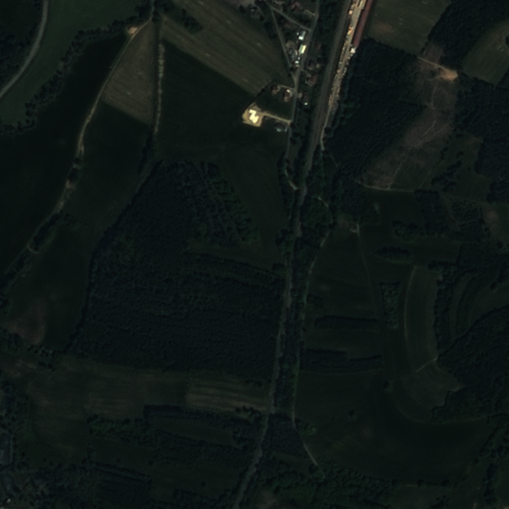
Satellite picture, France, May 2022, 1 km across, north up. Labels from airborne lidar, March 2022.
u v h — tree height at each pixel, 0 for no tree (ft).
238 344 39
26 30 0
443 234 31
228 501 34
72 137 0
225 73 0
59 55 0
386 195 0
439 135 0
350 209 82
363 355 0
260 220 0
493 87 44
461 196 0
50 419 0
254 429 86
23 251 0
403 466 0
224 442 0
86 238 0
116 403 0
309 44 0
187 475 0
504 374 21
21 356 0
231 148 0
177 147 0
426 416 0
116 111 0
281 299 30
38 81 0
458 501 0
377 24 0
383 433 0
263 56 0
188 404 0
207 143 0
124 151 0
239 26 0
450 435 0
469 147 0
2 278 0
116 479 48
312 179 55
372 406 0
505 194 89
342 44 0
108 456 0
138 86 0
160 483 0
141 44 0
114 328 52
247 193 0
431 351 0
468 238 33
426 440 0
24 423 51
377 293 0
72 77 0
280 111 0
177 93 0
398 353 0
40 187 0
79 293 0
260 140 0
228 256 0
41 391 0
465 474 0
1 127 52
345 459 0
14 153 0
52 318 0
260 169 0
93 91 0
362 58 61
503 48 0
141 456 0
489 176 67
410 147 0
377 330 22
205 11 0
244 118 0
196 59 0
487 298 0
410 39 0
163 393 0
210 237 72
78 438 0
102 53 0
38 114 0
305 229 64
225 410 0
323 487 66
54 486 53
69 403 0
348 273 0
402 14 0
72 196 0
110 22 0
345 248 0
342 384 0
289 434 91
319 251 75
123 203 0
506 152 79
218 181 78
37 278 0
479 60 0
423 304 0
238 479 0
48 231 71
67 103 0
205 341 41
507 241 0
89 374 0
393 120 25
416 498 0
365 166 24
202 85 0
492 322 39
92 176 0
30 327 0
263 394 0
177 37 0
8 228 0
